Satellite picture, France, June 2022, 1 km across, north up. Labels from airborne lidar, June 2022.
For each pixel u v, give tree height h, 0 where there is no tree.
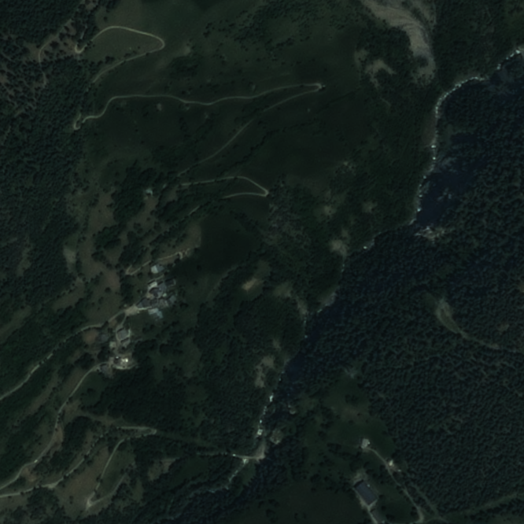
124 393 21
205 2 0
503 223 19
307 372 18
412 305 18
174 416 16
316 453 0
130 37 0
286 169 0
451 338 27
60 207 11
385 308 24
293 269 6
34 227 14
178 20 0
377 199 9
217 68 0
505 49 8
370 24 10
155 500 21
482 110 20
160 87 0
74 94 20
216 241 0
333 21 8
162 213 11
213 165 0
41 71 12
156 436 14
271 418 17
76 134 15
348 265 11
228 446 22
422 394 14
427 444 21
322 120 6
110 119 0
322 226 7
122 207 13
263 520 0
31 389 10
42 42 19
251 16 7
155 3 0
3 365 8
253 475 0
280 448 20
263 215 0
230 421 22
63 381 9
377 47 10
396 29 11
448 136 0
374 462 0
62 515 9
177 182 12
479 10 6
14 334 10
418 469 18
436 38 12
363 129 0
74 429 17
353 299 21
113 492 0
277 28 0
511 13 11
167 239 12
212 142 0
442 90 8
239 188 0
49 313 6
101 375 10
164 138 0
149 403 17
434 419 16
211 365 8
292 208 11
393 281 21
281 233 8
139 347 15
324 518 0
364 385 13
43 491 12
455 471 24
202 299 0
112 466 0
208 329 16
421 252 20
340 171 8
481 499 22
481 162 10
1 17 17
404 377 22
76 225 11
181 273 0
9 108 7
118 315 0
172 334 8
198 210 8
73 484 0
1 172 21
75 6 8
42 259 19
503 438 21
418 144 8
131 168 7
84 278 7
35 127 19
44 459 12
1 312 7
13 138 11
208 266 0
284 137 0
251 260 13
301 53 0
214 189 0
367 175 17
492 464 20
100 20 0
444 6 11
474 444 21
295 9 12
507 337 18
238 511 23
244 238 0
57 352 12
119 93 0
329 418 17
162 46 0
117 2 24
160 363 0
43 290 18
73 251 0
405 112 9
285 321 9
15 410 10
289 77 0
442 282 27
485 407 11
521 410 14
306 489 0
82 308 11
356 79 0
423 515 0
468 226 20
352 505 0
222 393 26
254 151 13
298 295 16
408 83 7
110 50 0
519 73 7
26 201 11
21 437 7
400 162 9
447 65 11
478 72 13
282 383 8
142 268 7
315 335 18
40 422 7
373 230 7
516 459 24
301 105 0
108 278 0
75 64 9
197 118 0
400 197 7
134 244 9
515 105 14
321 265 9
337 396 0
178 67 6
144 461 21
